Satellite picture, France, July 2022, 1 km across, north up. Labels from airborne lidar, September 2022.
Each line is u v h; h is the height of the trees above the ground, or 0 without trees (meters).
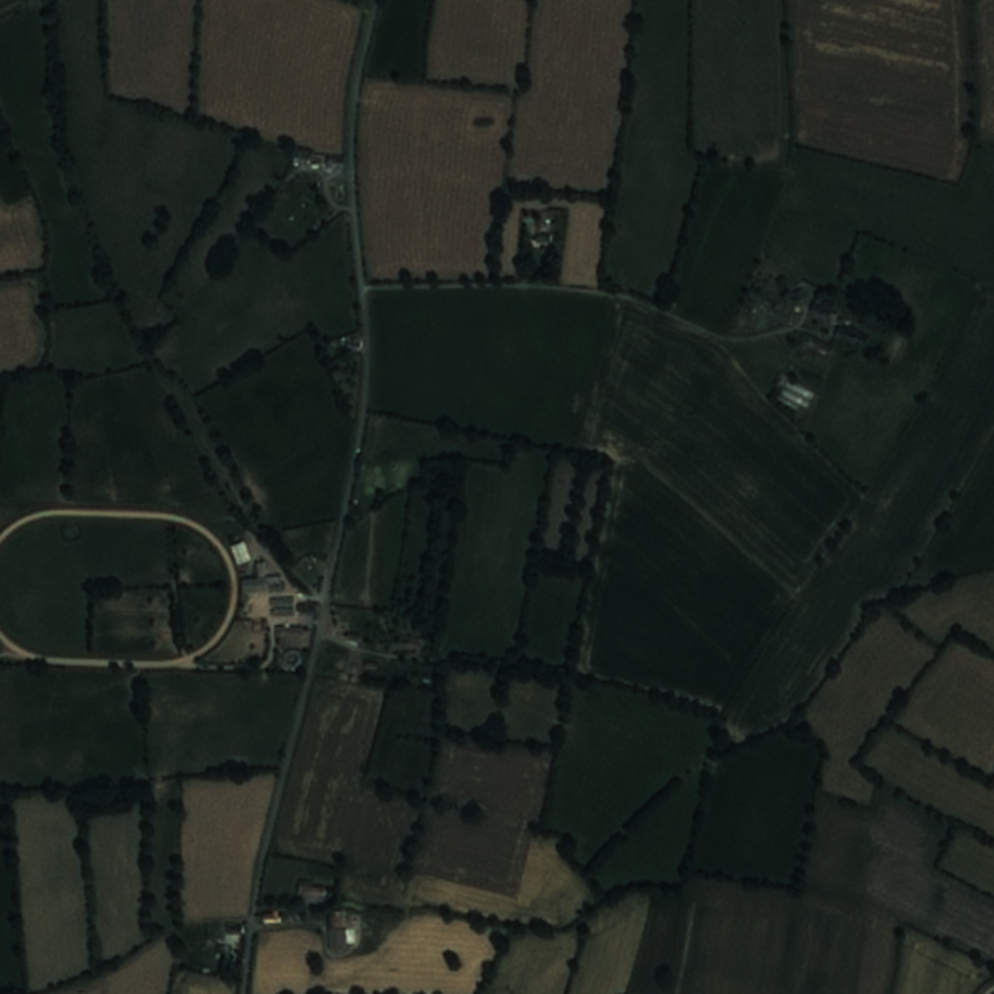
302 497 0
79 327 0
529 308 0
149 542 0
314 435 0
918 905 0
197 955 0
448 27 0
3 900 0
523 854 0
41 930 0
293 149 21
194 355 0
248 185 0
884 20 0
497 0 0
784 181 0
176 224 0
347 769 0
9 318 0
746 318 0
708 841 0
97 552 0
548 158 0
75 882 0
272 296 0
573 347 0
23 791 13
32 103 0
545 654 0
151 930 14
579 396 0
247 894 0
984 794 0
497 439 8
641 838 0
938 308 0
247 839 0
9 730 0
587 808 0
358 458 7
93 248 7
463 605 0
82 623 0
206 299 0
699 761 0
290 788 0
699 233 0
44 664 14
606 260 7
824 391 0
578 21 0
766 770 0
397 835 0
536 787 0
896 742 0
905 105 0
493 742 24
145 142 0
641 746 0
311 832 0
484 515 0
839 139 0
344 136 0
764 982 0
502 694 18
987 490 0
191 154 0
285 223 0
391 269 0
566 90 0
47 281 6
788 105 0
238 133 6
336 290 0
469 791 0
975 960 16
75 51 0
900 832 0
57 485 0
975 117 11
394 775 0
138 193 0
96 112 0
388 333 0
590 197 8
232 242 15
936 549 0
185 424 9
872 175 0
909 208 0
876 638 0
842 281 9
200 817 0
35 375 7
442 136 0
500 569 0
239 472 10
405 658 11
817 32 0
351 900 0
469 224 0
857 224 0
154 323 0
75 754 0
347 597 0
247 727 0
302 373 0
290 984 0
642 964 0
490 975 16
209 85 0
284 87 0
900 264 0
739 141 0
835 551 8
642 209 0
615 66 0
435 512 8
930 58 0
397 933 0
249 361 17
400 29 0
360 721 0
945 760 12
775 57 0
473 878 0
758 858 0
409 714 0
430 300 0
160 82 0
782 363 0
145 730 7
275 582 0
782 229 0
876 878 0
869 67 0
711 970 0
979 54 0
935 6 0
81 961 0
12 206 0
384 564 0
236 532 0
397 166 0
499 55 0
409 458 0
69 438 16
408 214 0
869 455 0
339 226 0
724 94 0
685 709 13
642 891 14
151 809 17
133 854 0
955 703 0
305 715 0
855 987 0
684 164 0
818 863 0
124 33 0
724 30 0
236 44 0
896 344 0
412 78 0
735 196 0
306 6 0
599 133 0
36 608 0
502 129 0
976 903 0
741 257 0
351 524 11
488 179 0
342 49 0
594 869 9
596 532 11
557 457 11
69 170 7
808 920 0
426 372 0
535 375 0
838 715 0
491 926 12
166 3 0
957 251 0
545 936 13
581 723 0
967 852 0
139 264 0
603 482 12
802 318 0
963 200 0
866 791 0
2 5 0
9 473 0
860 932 0
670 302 17
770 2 0
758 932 0
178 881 17
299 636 0
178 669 0
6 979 0
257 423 0
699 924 0
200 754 0
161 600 0
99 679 0
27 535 0
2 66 0
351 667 0
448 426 18
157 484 0
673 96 0
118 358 0
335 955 0
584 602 9
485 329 0
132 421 0
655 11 0
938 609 0
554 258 19
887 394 0
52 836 0
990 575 0
